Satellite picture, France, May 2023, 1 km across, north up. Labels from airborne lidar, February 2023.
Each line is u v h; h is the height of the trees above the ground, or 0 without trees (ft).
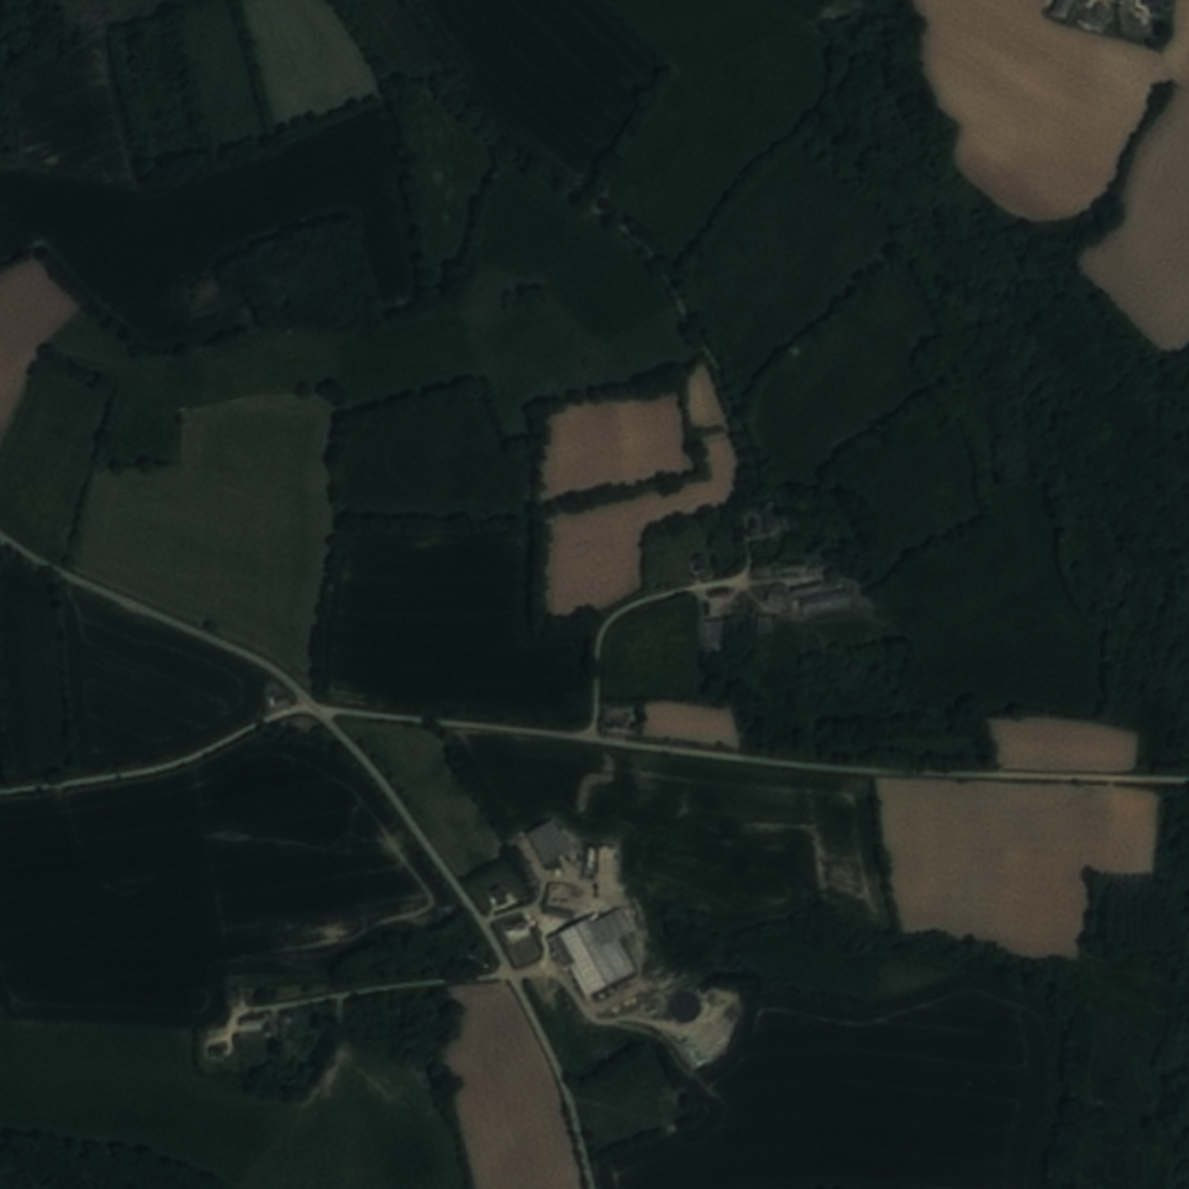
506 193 0
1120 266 0
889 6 58
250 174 0
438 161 0
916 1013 0
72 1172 70
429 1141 0
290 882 0
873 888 0
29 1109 0
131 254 0
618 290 0
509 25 0
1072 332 70
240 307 0
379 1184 0
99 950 0
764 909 0
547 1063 0
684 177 0
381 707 0
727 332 0
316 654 33
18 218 0
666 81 48
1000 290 35
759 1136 0
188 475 0
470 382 43
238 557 0
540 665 0
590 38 0
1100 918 74
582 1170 26
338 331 58
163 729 0
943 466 0
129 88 27
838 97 54
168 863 0
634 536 0
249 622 0
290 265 55
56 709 0
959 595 0
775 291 0
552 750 0
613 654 0
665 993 0
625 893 0
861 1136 0
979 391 0
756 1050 0
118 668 0
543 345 0
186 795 0
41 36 49
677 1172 0
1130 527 64
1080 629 0
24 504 0
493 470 0
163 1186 54
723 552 0
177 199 0
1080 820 0
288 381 0
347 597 0
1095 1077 0
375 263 0
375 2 0
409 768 0
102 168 0
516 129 0
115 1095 0
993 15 0
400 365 0
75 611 0
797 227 0
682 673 0
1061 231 0
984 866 0
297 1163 0
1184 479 22
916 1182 0
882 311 0
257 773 0
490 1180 0
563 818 0
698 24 0
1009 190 0
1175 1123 106
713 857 0
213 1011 0
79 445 0
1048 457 56
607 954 0
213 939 0
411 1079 0
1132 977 0
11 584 0
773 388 0
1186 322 0
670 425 0
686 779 0
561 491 0
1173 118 0
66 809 0
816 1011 0
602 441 0
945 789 0
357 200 0
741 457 35
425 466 0
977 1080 0
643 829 0
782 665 0
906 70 69
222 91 0
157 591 0
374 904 0
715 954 0
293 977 0
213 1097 0
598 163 44
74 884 0
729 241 0
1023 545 0
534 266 0
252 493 0
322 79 0
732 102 0
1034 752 0
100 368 0
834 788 0
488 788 0
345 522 53
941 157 35
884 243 0
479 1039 0
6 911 0
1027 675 0
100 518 0
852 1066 0
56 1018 0
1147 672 19
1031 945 0
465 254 38
